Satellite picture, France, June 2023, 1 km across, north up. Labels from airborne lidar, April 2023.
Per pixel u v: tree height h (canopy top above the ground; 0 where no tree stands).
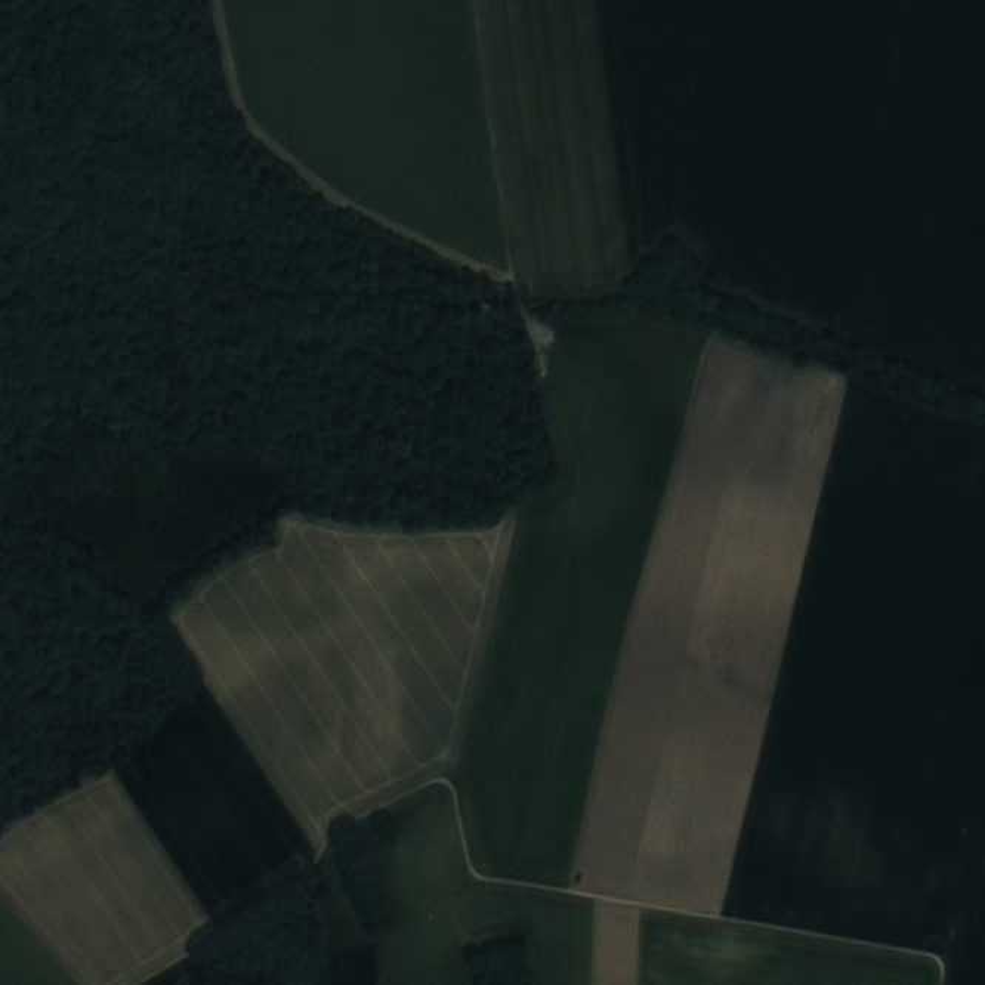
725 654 0
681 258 15
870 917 0
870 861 0
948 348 0
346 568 0
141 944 0
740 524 0
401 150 0
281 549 0
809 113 0
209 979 8
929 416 0
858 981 0
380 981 0
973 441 0
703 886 0
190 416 16
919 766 0
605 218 0
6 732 23
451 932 0
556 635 0
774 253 0
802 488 0
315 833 0
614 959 0
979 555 0
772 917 0
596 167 0
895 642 0
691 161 0
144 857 0
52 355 21
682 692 0
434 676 0
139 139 25
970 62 0
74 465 26
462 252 0
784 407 0
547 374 0
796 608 0
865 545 0
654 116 0
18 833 0
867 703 0
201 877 0
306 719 0
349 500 10
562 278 0
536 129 0
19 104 23
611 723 0
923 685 0
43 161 22
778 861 0
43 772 22
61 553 20
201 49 20
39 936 0
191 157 24
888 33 0
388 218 0
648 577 0
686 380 0
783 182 0
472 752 0
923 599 0
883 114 0
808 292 0
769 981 0
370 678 0
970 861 0
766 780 0
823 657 0
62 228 24
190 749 0
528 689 0
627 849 0
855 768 0
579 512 0
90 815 0
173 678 23
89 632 19
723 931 0
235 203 21
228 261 11
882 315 0
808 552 0
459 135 0
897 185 0
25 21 24
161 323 19
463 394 20
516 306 10
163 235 20
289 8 0
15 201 21
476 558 0
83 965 0
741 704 0
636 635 0
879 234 0
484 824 0
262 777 0
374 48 0
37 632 12
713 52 0
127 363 19
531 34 0
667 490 0
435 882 0
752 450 0
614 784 0
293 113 0
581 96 0
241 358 21
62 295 22
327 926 0
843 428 0
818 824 0
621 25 0
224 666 0
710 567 0
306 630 0
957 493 0
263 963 17
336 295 19
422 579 0
